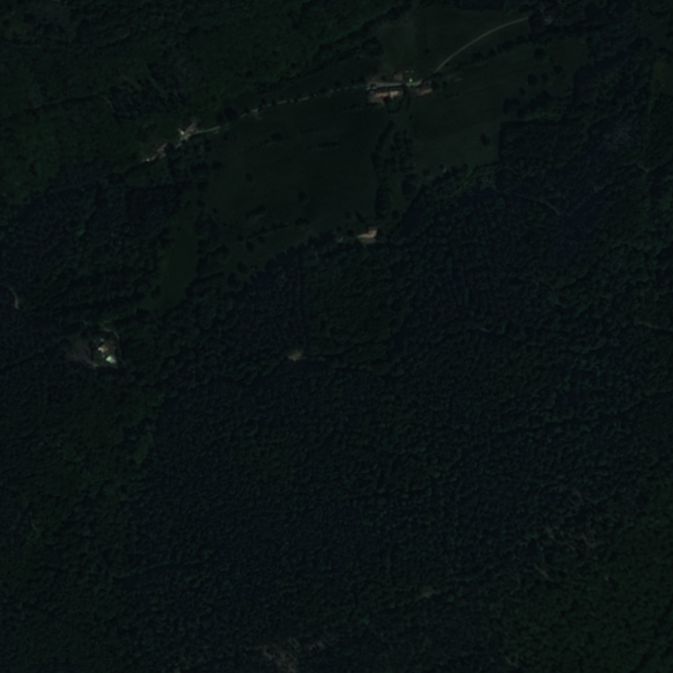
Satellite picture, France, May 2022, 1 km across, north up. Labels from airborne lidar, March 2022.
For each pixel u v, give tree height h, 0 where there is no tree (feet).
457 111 0
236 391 81
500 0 64
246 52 100
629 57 71
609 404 95
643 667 94
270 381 85
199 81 111
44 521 77
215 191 0
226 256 50
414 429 89
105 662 74
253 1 74
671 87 0
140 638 99
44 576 78
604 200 84
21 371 84
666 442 40
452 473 86
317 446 74
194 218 0
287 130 0
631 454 83
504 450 98
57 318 75
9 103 103
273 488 98
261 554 79
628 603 106
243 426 88
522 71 0
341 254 52
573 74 0
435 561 92
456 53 0
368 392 89
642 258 60
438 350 63
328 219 0
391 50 0
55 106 80
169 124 80
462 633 85
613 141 82
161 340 89
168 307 0
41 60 52
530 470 104
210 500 100
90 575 112
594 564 96
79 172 108
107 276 51
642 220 87
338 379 92
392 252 72
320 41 55
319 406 86
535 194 104
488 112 0
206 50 102
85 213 66
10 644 73
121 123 104
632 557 93
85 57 81
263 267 0
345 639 67
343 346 54
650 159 31
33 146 111
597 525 80
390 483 98
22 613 63
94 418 79
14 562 59
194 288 42
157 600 90
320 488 86
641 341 53
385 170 55
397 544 93
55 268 81
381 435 83
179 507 102
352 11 99
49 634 74
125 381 74
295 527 99
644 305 32
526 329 36
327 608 78
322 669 89
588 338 95
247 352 58
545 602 99
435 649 88
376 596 84
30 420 76
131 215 46
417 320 79
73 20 32
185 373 101
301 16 86
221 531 97
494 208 81
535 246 102
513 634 98
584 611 105
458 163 0
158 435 99
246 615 71
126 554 93
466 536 89
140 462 75
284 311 97
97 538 102
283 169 0
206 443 69
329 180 0
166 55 89
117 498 105
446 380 76
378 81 0
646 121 79
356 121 0
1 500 73
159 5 62
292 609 86
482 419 91
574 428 87
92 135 79
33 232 116
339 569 90
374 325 85
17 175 103
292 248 0
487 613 88
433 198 40
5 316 118
